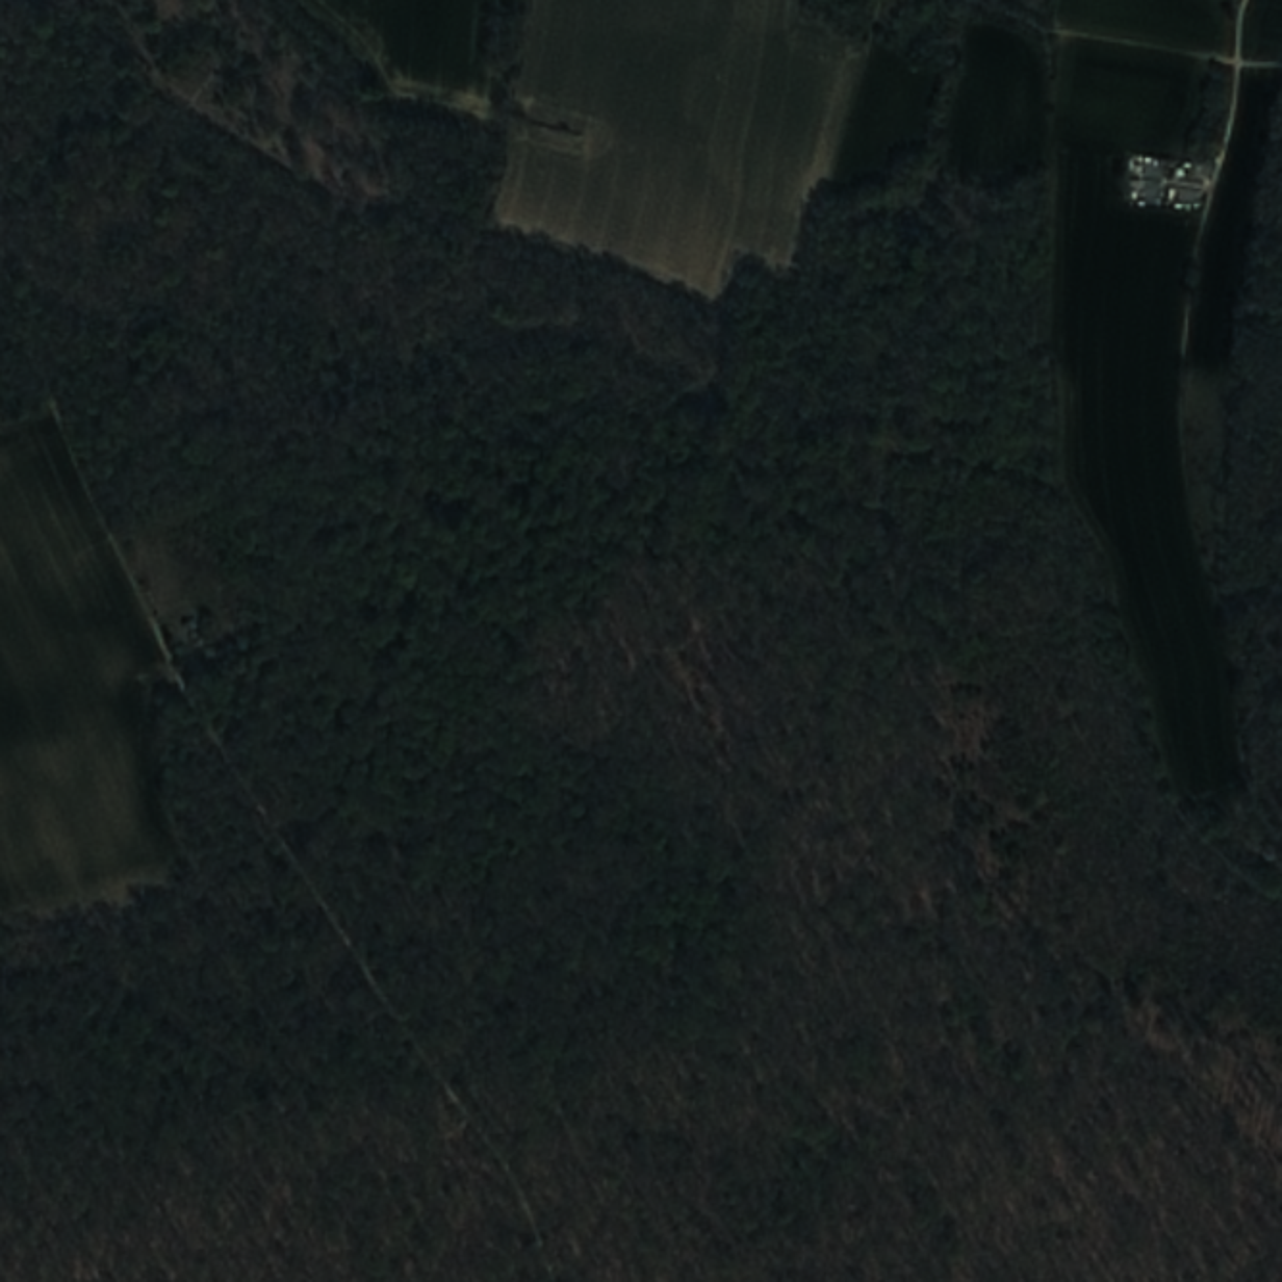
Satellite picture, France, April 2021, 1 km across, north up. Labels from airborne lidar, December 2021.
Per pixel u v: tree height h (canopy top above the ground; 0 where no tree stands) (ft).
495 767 100
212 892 42
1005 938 85
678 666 101
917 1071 93
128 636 0
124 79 52
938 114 42
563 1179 102
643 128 0
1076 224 0
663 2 0
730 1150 73
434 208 70
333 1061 101
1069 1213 71
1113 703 60
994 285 90
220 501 23
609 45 0
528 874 112
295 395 80
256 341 75
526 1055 108
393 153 86
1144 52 0
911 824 94
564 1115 86
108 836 0
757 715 104
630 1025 118
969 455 76
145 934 69
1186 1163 87
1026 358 80
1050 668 49
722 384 59
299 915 53
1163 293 0
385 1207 89
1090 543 33
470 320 50
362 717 98
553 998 105
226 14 101
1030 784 55
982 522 52
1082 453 0
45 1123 97
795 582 96
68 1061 110
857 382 81
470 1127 37
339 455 105
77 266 88
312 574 104
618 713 91
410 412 77
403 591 98
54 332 71
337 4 0
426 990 105
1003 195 56
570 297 69
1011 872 22
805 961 101
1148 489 0
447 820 54
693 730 99
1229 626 72
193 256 76
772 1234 83
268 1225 93
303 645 94
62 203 65
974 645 48
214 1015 111
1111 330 0
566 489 94
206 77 0
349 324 70
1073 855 45
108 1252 98
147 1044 100
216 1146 112
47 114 33
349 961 79
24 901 0
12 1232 90
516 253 43
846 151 0
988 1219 47
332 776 86
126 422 79
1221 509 52
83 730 0
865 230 68
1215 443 0
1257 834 44
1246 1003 69
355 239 54
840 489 80
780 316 84
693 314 84
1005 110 0
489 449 67
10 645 0
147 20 37
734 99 0
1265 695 24
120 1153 110
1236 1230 78
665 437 60
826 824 93
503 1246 79
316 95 84
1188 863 35
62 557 0
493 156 62
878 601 116
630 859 106
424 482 90
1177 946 56
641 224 0
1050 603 75
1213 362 0
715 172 0
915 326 83
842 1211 70
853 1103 102
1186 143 24
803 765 100
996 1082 85
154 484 91
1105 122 0
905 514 37
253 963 99
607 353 78
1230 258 0
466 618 101
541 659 80
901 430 74
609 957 108
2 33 54
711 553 91
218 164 56
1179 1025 103
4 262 62
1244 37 0
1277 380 72
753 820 103
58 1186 98
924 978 93
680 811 112
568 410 85
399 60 0
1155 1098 107
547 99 0
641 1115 102
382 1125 95
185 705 64
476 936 109
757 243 0
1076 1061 89
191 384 91
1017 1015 100
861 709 97
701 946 114
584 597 85
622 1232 91
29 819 0
